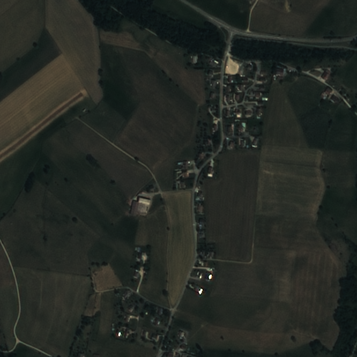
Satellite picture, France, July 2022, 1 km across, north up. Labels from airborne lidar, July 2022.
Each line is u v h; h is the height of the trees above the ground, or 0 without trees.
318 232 0
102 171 0
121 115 0
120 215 0
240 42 16
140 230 0
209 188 0
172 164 0
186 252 0
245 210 0
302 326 0
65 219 0
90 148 0
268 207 0
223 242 0
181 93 0
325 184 0
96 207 0
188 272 0
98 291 0
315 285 0
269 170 0
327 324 0
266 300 0
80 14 0
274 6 0
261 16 0
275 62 9
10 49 0
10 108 0
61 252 0
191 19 0
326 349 6
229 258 0
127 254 0
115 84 0
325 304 0
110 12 12
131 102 0
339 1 0
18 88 0
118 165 0
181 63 0
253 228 0
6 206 0
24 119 0
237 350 0
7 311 0
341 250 0
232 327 0
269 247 0
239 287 0
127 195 0
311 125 0
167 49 0
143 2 16
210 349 0
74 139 0
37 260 0
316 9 0
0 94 0
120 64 0
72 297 0
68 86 0
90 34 0
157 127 0
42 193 0
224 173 0
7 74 0
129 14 18
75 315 0
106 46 0
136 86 0
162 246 0
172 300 0
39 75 0
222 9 0
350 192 0
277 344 0
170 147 0
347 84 0
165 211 0
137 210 0
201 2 0
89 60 0
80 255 0
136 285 0
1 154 0
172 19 15
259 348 0
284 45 14
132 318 0
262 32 0
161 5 0
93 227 0
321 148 0
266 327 0
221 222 0
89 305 0
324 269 0
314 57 13
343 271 0
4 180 0
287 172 0
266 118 0
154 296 0
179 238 0
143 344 0
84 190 0
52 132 0
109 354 0
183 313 0
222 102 0
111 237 0
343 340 9
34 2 0
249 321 0
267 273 0
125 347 0
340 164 0
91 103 0
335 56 15
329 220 0
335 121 0
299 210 0
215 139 7
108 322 0
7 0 0
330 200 0
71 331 0
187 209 0
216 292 0
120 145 0
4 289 0
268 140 0
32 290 0
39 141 0
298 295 0
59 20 0
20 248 0
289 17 0
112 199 0
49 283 0
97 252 0
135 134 0
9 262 0
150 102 0
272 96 0
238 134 5
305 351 0
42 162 0
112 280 0
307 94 0
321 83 0
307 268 0
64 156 0
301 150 0
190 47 15
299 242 0
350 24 0
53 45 0
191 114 0
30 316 0
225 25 0
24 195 0
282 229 0
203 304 0
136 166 0
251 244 0
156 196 0
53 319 0
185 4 0
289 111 0
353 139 0
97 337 0
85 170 0
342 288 10
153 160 0
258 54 19
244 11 0
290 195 0
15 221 0
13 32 0
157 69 0
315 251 0
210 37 18
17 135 0
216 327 0
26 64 0
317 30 0
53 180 0
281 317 0
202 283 0
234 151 0
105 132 0
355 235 0
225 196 0
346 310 7
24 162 0
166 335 9
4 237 0
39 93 0
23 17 0
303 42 0
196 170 0
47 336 0
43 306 0
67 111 0
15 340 0
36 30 0
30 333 0
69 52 0
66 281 0
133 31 0
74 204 0
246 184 0
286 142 0
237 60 0
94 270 0
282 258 0
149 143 0
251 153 0
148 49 0
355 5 0
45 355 0
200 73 0
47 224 0
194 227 0
